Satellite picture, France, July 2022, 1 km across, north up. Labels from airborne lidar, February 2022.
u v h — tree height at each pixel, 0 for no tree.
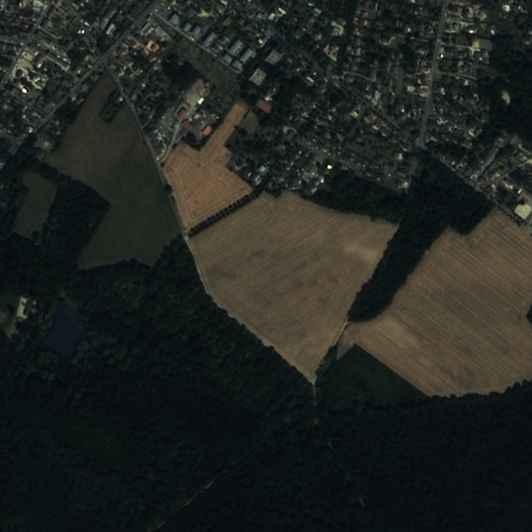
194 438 14
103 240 0
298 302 0
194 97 0
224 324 15
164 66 14
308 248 0
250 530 10
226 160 0
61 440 8
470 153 9
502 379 0
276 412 19
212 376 23
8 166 13
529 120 19
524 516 20
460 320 0
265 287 0
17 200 19
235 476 8
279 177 0
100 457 7
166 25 0
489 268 0
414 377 0
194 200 0
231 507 20
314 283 0
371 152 0
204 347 28
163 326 22
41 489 20
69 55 9
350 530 21
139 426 17
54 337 0
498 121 12
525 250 0
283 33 13
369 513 20
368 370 0
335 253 0
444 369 0
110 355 21
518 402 20
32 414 21
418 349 0
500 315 0
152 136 0
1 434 20
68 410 9
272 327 0
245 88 12
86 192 20
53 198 0
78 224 21
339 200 19
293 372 17
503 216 0
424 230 16
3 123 9
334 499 21
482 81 16
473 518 24
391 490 18
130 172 0
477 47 0
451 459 18
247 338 15
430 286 0
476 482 20
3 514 21
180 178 0
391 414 19
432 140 6
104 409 20
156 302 21
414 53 13
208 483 13
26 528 18
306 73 17
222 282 0
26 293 6
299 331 0
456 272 0
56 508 23
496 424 17
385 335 0
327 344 0
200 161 0
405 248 17
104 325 30
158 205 0
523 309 0
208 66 0
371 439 16
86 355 24
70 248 23
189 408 22
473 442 18
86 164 0
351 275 0
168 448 21
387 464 20
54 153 0
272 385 13
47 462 16
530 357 0
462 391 0
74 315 0
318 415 21
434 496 23
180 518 9
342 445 20
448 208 19
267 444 9
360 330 0
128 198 0
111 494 17
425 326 0
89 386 22
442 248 0
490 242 0
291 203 0
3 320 0
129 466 7
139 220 0
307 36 15
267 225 0
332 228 0
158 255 0
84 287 21
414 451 18
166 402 22
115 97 8
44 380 35
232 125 0
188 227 0
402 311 0
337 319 0
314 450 22
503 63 17
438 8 6
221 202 0
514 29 0
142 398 22
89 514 18
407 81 6
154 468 28
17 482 18
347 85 11
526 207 0
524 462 18
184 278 18
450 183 27
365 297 15
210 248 0
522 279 0
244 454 17
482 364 0
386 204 19
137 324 22
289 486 13
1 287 21
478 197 16
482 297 0
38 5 0
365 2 0
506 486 17
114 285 19
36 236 14
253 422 14
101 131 0
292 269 0
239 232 0
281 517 29
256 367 13
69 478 13
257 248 0
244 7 6
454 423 7
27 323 8
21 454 21
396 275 18
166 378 7
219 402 20
